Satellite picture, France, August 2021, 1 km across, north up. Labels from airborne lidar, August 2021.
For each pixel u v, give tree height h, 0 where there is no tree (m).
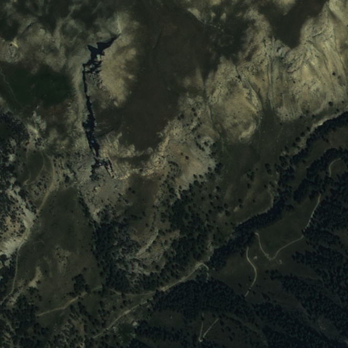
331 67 0
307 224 0
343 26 0
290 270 0
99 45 0
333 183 17
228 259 13
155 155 0
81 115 0
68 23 0
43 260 0
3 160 8
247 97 0
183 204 17
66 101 0
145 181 0
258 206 0
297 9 0
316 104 0
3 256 7
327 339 0
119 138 0
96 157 0
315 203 0
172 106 0
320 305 13
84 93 0
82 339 11
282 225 0
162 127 0
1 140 6
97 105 0
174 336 11
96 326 15
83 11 0
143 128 0
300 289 18
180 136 0
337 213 16
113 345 0
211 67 0
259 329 9
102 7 0
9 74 0
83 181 0
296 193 0
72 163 0
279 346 10
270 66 0
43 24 0
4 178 10
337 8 0
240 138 0
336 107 0
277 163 0
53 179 0
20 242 0
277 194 0
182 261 22
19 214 7
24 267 0
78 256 0
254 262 0
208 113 0
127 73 0
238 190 0
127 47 0
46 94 0
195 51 0
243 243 14
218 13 0
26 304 17
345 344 0
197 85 0
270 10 0
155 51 0
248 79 0
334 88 0
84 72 0
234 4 0
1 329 14
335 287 25
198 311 26
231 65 0
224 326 15
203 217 0
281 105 0
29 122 0
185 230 17
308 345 18
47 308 0
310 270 0
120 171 0
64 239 0
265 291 0
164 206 9
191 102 0
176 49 0
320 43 0
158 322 0
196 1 0
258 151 0
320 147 0
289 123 0
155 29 0
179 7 0
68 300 0
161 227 0
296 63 0
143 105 0
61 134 0
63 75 0
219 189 19
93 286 0
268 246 0
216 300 25
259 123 0
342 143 0
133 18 0
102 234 21
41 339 0
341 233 0
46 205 0
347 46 0
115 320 0
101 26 0
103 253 25
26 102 0
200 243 16
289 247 0
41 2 0
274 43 0
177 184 0
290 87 0
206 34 0
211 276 0
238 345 0
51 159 0
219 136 0
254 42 0
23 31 0
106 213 14
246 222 12
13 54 0
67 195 0
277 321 19
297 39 0
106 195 0
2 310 7
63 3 0
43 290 0
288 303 0
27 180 0
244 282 0
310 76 0
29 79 0
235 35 0
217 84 0
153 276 22
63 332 8
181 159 0
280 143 0
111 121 0
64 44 0
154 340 17
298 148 14
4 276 11
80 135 0
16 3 0
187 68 0
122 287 17
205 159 0
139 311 0
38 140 7
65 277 0
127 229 6
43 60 0
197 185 11
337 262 19
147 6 0
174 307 22
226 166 0
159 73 0
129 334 0
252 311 12
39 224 0
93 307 0
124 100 0
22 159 0
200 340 0
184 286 18
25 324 21
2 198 6
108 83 0
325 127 15
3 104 0
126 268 14
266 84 0
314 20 0
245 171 0
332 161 12
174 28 0
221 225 0
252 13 0
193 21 0
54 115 0
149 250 7
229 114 0
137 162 0
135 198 0
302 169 0
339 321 16
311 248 0
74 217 0
